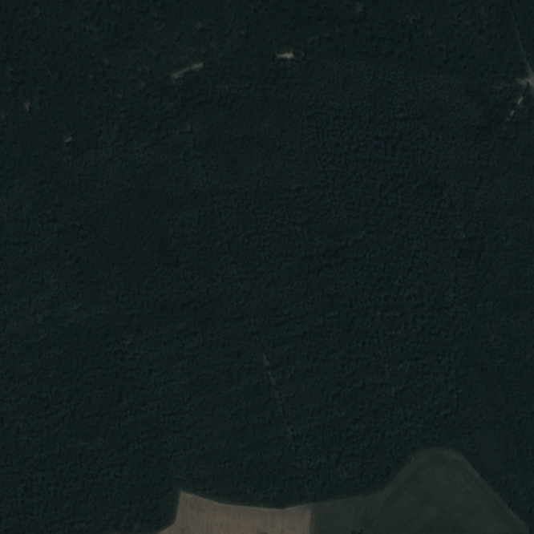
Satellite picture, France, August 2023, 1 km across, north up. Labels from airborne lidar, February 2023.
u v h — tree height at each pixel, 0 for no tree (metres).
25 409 20
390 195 29
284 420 17
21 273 21
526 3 22
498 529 0
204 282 24
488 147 18
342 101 20
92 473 22
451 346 19
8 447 19
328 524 0
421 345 19
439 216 26
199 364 17
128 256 18
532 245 23
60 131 19
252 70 16
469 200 21
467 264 26
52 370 20
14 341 18
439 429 20
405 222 28
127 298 26
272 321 19
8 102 21
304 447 20
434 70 21
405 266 21
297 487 17
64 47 22
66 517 17
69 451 20
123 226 18
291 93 19
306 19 22
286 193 23
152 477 14
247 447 16
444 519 0
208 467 18
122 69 21
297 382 20
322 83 21
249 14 24
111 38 25
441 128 22
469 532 0
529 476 10
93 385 16
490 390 14
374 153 27
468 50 22
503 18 24
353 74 22
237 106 18
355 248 19
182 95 7
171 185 21
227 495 12
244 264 27
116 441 17
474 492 0
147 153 21
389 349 20
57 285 15
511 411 10
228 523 0
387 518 0
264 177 22
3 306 16
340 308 19
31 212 18
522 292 22
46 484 22
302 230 29
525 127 13
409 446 19
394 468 17
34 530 22
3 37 25
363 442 16
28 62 26
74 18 25
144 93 15
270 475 17
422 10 23
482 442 17
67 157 14
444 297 14
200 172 22
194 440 18
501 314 16
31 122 20
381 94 20
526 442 14
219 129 19
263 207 24
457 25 23
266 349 20
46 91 23
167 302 22
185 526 0
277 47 18
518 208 22
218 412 20
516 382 13
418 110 20
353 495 12
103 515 21
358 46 23
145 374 17
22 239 22
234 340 21
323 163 22
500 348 7
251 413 18
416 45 22
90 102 19
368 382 19
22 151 21
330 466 19
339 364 19
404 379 21
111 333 16
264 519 0
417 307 13
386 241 23
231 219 27
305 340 21
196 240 24
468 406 14
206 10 25
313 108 20
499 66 18
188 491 13
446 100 20
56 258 21
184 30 23
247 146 22
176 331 16
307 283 23
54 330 18
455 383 19
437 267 19
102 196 18
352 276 21
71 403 20
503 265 20
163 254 22
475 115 20
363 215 28
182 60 17
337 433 23
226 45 20
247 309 21
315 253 27
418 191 15
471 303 19
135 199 18
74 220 17
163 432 15
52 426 20
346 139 29
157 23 25
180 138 18
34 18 24
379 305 18
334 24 21
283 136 19
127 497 19
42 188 17
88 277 20
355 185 33
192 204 23
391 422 21
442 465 0
